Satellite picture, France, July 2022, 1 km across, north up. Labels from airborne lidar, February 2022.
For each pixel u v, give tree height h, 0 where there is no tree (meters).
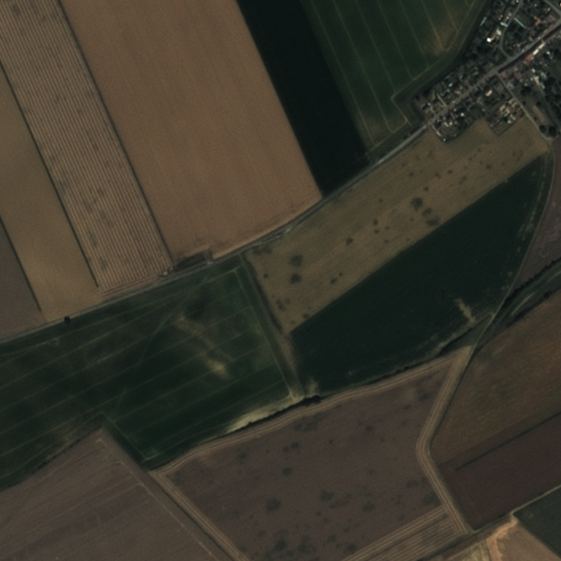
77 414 0
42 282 0
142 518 0
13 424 0
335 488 0
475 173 0
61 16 0
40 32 0
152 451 0
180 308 0
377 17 0
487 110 0
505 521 0
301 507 0
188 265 0
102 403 0
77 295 0
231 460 0
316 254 0
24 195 0
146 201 0
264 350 0
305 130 0
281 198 0
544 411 0
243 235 0
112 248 0
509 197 0
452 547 0
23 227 0
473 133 0
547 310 0
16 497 0
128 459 0
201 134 0
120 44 0
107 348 0
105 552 0
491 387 0
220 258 0
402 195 0
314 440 0
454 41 0
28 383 0
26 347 0
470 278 0
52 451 0
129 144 0
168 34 0
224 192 0
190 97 0
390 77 0
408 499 0
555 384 0
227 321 0
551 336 0
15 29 0
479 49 9
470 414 0
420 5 0
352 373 0
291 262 0
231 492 0
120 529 0
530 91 11
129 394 0
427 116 0
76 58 0
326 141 0
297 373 0
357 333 0
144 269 0
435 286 0
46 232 0
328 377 0
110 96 0
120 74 0
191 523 0
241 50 0
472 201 0
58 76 0
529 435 0
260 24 0
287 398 0
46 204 0
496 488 0
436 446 0
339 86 0
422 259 0
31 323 0
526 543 0
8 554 0
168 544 0
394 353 0
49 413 0
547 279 0
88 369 0
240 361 0
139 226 0
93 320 0
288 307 0
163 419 0
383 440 0
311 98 0
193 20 0
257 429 0
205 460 0
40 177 0
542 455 0
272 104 0
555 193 0
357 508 0
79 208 0
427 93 7
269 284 0
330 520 0
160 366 0
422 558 0
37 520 0
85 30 0
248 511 0
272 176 0
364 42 0
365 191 0
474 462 0
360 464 0
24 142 0
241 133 0
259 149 0
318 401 7
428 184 0
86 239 0
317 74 0
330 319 0
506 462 0
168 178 0
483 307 0
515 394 0
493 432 0
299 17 0
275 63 0
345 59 0
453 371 0
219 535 0
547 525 0
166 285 0
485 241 0
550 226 0
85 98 0
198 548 0
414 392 0
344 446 0
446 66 0
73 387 0
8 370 0
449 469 0
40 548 0
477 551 0
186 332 0
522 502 0
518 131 0
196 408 0
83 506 0
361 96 0
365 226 0
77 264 0
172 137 0
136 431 0
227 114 0
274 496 0
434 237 0
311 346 0
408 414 0
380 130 0
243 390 0
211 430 0
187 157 0
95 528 0
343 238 0
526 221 0
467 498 0
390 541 0
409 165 0
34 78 0
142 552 0
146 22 0
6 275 0
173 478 0
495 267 0
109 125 0
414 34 0
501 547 0
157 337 0
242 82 0
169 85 0
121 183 0
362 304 0
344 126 0
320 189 0
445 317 0
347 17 0
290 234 0
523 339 0
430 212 0
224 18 0
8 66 0
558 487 0
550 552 0
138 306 0
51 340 0
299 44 0
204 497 0
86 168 0
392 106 0
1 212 0
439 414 0
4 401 0
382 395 0
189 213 0
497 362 0
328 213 0
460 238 0
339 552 0
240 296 0
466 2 0
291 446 0
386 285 0
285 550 0
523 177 0
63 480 0
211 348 0
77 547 0
